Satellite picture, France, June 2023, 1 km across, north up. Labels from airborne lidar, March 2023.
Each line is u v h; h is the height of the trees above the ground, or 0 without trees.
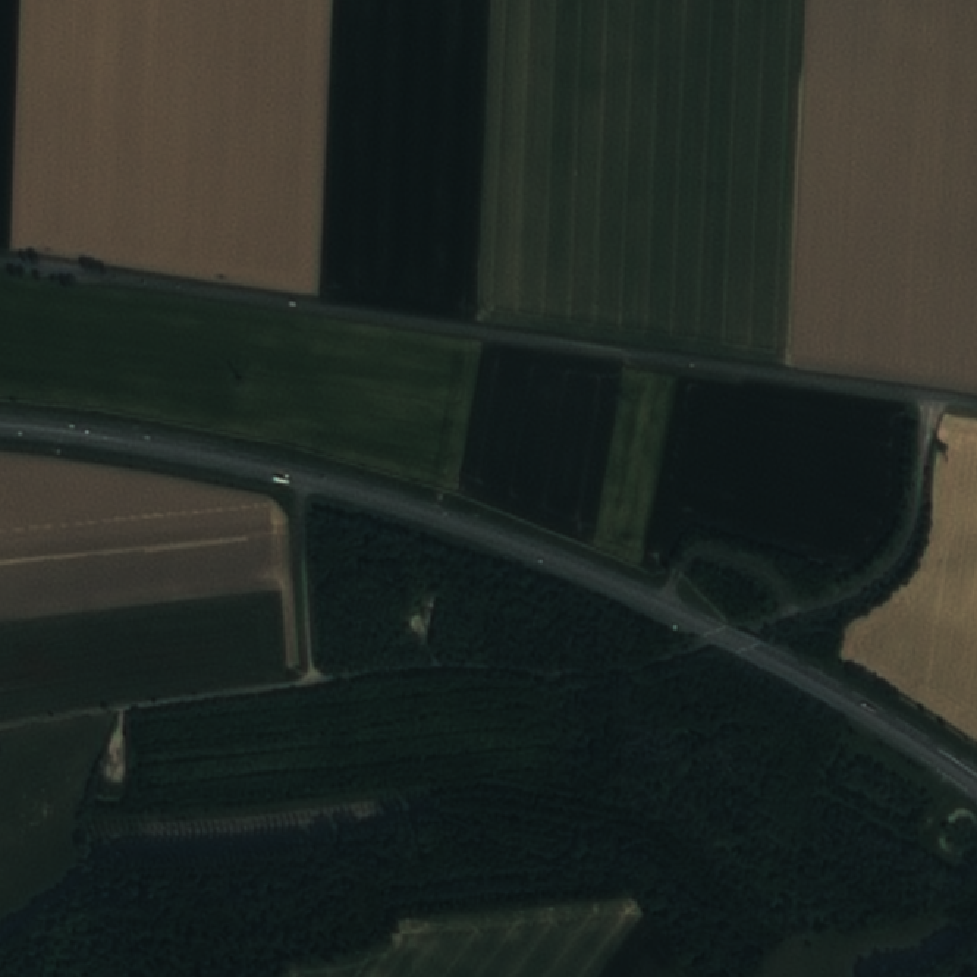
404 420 0
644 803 19
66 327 0
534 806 14
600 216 0
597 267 0
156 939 9
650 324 0
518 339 0
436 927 0
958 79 0
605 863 19
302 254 0
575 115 0
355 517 10
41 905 16
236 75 0
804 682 0
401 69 0
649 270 0
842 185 0
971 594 0
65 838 0
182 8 0
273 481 0
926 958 24
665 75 0
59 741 0
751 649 0
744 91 0
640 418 0
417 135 0
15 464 0
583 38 0
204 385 0
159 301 0
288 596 0
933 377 0
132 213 0
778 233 0
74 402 0
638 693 13
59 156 0
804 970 0
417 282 0
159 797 10
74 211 0
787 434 0
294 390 0
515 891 9
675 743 20
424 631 0
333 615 15
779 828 22
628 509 0
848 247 0
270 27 0
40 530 0
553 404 0
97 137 0
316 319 0
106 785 0
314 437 0
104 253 0
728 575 8
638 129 0
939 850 0
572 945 0
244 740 6
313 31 0
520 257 0
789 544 0
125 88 0
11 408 0
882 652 0
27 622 0
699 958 22
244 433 0
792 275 0
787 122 0
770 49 0
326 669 12
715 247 0
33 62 0
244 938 16
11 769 0
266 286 0
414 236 0
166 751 7
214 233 0
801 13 0
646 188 0
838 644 12
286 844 31
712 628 0
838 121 0
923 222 0
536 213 0
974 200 0
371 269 0
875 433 0
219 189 0
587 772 15
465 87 0
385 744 9
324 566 13
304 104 0
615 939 0
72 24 0
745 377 0
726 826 12
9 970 19
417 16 0
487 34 0
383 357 0
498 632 15
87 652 0
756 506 0
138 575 0
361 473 0
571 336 0
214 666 0
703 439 0
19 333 0
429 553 12
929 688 0
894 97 0
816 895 21
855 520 0
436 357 0
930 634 0
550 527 0
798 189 0
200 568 0
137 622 0
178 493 0
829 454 0
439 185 0
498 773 9
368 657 16
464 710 8
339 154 0
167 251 0
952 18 0
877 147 0
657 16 0
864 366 0
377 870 21
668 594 0
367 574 21
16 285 0
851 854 20
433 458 0
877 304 0
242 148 0
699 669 10
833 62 0
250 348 0
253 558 0
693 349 0
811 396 0
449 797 13
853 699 0
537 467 0
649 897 25
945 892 23
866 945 0
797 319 0
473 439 0
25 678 0
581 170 0
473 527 0
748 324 0
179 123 0
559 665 13
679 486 0
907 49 0
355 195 0
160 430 0
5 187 0
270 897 15
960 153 0
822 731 12
